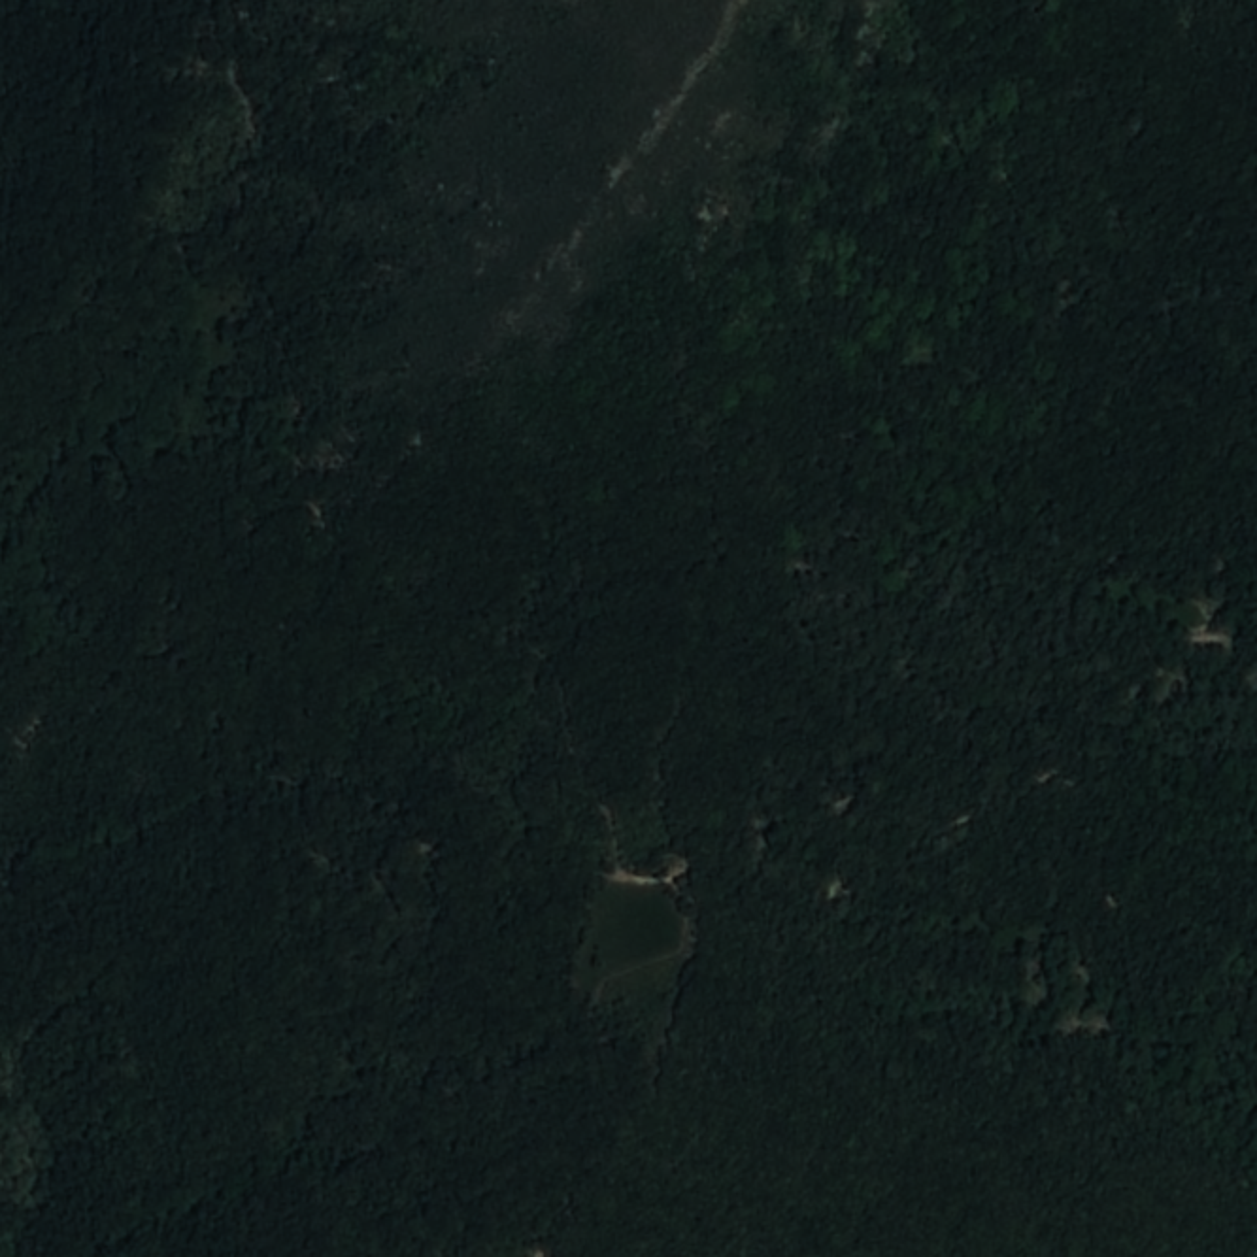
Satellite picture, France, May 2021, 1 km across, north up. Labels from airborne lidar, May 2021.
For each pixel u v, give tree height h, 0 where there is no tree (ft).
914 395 64
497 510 43
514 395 19
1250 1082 59
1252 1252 47
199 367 70
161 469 69
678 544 35
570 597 24
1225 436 50
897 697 56
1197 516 47
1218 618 35
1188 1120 69
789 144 23
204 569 48
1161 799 49
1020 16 44
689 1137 40
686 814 36
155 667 56
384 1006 72
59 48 34
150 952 44
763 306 47
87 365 55
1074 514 38
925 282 69
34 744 23
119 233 36
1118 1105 41
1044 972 25
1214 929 60
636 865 24
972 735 78
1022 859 63
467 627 40
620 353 26
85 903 46
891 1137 55
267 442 47
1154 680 59
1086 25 47
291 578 55
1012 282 60
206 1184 73
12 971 45
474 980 60
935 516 54
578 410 38
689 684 28
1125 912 36
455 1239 31
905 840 60
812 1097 51
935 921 48
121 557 41
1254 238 43
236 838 40
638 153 0
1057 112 63
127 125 46
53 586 57
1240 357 34
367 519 29
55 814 41
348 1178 45
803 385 67
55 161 50
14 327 52
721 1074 49
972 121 50
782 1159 53
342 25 20
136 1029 42
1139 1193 58
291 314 38
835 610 78
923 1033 57
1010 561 64
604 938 0
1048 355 66
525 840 28
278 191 27
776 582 70
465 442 34
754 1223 54
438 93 22
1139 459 57
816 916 55
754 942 47
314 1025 53
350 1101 56
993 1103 44
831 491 79
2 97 43
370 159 27
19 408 47
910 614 65
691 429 24
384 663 57
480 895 52
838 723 53
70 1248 56
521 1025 53
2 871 32
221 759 41
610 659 47
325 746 49
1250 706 75
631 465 34
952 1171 52
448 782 30
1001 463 51
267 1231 47
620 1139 53
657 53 0
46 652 70
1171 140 66
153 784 24
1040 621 61
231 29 25
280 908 41
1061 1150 34
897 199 52
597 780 28
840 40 37
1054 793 42
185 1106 24
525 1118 54
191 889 36
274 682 53
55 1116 44
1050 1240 24
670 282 31
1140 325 55
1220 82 57
